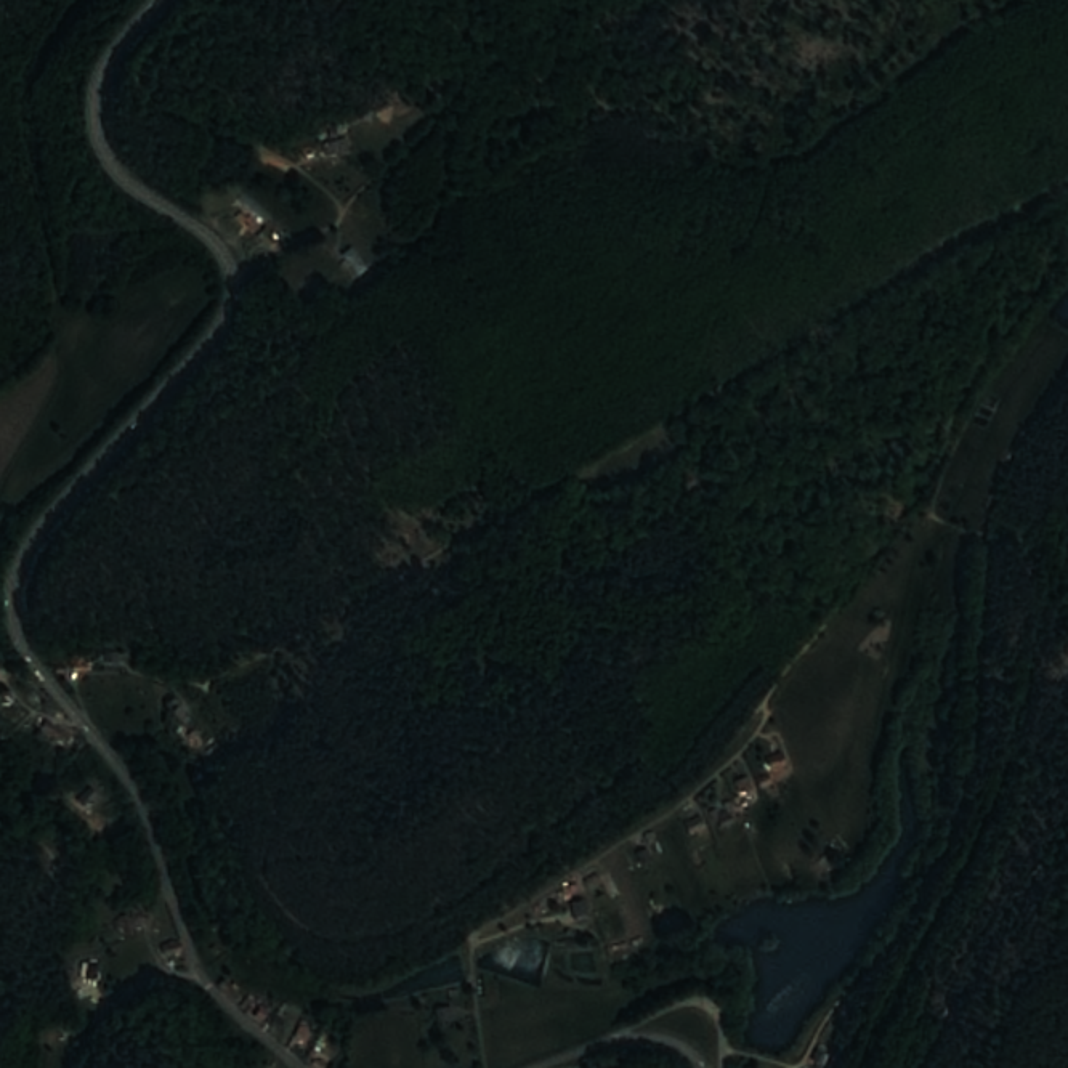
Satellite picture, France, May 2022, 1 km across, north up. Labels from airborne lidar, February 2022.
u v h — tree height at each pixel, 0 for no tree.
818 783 0
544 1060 0
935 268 31
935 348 26
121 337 0
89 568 22
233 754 21
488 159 29
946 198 0
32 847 16
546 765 26
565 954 0
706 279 0
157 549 25
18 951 21
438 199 23
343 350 0
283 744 25
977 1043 21
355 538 22
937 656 7
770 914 0
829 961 0
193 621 28
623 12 25
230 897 27
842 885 22
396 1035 0
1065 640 26
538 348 0
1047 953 21
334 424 22
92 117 0
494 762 23
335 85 26
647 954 11
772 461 29
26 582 15
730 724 24
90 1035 22
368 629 23
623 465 0
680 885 0
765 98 25
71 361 0
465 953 0
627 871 0
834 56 0
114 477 24
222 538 26
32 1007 20
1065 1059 24
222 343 17
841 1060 27
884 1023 15
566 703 26
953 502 0
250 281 26
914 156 0
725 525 26
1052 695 26
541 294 0
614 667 25
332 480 24
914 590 0
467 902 25
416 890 22
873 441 29
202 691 0
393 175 13
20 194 21
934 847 25
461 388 0
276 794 21
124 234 13
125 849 20
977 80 0
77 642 23
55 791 12
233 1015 0
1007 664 27
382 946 24
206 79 28
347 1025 7
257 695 9
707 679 0
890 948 29
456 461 0
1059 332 0
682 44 20
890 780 21
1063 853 22
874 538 23
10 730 0
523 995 0
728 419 31
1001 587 25
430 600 23
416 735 26
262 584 25
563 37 27
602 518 27
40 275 25
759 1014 0
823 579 26
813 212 13
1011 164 0
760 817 0
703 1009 0
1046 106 13
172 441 24
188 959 0
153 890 17
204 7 25
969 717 21
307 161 0
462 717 22
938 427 26
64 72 26
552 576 24
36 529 0
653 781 25
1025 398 0
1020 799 25
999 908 23
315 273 0
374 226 0
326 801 20
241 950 18
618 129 18
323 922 17
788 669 0
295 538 26
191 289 0
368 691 25
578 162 16
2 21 26
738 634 0
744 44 22
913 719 15
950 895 10
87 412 0
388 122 0
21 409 0
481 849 24
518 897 25
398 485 0
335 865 19
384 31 26
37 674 0
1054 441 20
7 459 0
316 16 24
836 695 0
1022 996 24
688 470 22
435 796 21
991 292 0
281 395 21
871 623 10
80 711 0
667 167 21
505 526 29
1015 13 14
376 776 23
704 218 14
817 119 33
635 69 25
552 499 22
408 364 21
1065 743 32
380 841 19
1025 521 21
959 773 20
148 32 13
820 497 32
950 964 27
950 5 31
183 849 25
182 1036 25
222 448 23
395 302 0
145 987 20
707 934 12
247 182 11
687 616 24
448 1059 14
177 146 26
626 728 24
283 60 26
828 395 25
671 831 0
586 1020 0
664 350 0
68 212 24
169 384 0
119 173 0
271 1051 0
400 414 24
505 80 30
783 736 0
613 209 14
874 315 31
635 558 19
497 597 23
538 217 15
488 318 0
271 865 19
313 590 25
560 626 0
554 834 27
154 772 22
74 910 26
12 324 14
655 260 0
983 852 26
